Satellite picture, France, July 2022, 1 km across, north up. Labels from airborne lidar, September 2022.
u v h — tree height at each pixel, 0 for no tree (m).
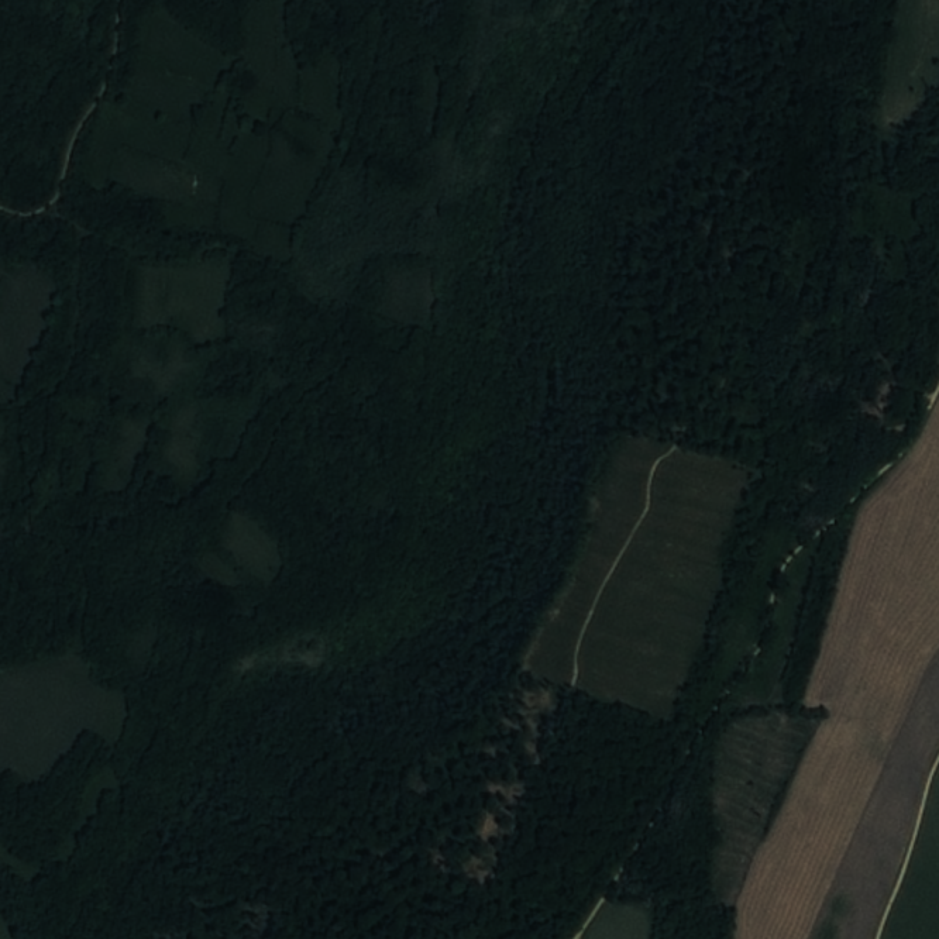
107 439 6
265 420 10
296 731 18
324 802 24
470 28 8
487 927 23
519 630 15
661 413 24
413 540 17
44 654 14
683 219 22
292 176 0
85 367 11
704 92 21
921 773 0
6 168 6
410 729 22
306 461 9
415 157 17
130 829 17
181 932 22
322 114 0
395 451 17
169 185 0
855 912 0
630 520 0
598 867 10
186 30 10
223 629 16
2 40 10
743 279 26
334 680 17
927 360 20
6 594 8
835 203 23
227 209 0
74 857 7
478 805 25
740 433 22
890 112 0
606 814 22
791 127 13
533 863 22
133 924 19
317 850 23
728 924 20
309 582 11
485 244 13
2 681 0
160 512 24
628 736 25
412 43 11
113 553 7
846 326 24
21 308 0
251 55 0
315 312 10
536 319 19
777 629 23
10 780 15
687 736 20
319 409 15
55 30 15
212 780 12
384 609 10
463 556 20
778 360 23
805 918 0
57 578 7
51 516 9
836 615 0
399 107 11
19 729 0
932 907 0
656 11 26
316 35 11
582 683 0
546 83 14
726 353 19
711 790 18
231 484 8
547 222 17
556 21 8
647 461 0
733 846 0
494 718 21
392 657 20
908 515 0
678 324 26
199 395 5
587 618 0
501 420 14
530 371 19
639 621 0
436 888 8
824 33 30
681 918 23
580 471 21
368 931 7
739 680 19
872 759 0
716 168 26
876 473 15
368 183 12
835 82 25
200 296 0
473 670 21
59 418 12
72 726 0
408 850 27
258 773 12
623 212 18
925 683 0
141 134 0
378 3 16
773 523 27
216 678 11
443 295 10
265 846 19
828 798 0
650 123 20
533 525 17
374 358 14
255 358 10
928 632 0
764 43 26
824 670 0
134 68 12
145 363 0
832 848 0
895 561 0
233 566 7
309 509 19
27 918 16
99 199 12
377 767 16
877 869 0
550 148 25
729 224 27
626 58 19
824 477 17
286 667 8
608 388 14
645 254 16
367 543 13
